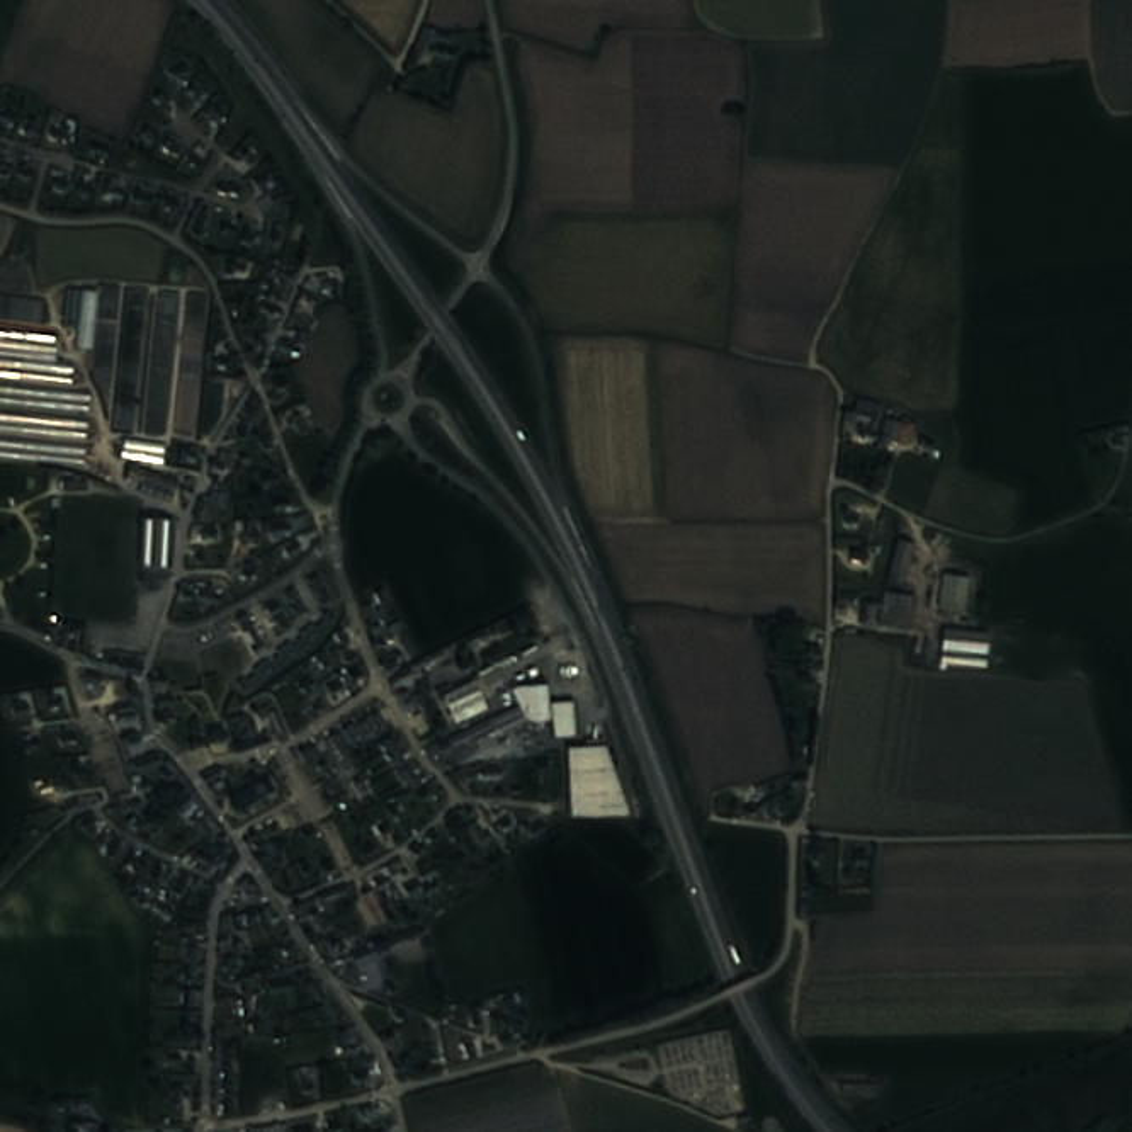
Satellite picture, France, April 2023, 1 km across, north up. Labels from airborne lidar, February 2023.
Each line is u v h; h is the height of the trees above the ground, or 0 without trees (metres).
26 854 0
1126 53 0
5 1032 0
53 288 0
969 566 0
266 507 0
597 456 0
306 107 0
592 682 0
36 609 0
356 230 0
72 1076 0
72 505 0
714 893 0
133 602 0
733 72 0
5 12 0
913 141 0
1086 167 0
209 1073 0
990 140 0
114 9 0
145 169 0
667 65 0
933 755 0
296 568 0
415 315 0
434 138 0
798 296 0
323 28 0
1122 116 0
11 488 0
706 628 0
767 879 0
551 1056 0
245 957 6
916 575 0
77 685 0
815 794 0
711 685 0
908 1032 0
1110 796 0
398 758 0
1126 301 0
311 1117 0
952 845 0
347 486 0
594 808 0
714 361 0
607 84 0
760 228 0
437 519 0
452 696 0
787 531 0
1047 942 0
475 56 9
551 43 0
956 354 0
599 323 0
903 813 0
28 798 0
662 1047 0
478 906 0
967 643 0
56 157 0
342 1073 0
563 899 0
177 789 7
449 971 0
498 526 0
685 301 0
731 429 0
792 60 0
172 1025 0
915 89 0
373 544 0
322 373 0
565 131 0
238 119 0
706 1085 0
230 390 0
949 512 0
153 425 0
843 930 0
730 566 0
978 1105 0
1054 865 0
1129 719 0
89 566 0
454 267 0
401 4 0
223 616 0
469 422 0
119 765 0
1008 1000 0
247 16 0
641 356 0
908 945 0
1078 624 0
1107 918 0
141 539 0
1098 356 0
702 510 0
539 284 0
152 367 0
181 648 0
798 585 0
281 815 0
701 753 0
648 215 0
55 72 0
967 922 0
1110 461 0
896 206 0
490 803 0
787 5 0
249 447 0
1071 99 0
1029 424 0
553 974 0
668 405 0
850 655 0
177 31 0
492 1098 0
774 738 0
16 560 0
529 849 0
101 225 0
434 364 7
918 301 0
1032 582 0
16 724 0
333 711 0
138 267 0
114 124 0
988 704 0
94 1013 0
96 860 0
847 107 0
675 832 0
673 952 0
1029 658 0
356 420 9
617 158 0
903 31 0
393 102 0
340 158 0
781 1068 0
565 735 0
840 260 0
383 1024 0
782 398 0
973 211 0
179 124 0
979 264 0
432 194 0
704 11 0
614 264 0
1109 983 0
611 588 0
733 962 0
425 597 0
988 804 0
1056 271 0
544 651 0
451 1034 0
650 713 0
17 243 0
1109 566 0
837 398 0
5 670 0
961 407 0
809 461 0
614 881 0
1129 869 0
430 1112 0
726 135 0
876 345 0
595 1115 0
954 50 0
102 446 0
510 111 0
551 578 0
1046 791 0
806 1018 0
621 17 0
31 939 0
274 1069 0
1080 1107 0
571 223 0
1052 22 0
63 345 0
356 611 0
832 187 0
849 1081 0
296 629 0
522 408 0
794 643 0
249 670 0
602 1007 0
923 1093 0
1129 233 0
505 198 0
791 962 0
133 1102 0
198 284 0
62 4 0
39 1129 7
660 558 0
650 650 0
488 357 0
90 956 0
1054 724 0
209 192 0
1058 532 0
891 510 0
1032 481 0
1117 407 0
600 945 0
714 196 0
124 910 0
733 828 0
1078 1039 0
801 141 0
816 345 0
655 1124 0
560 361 0
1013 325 0
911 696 0
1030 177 0
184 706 0
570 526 0
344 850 0
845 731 0
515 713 0
